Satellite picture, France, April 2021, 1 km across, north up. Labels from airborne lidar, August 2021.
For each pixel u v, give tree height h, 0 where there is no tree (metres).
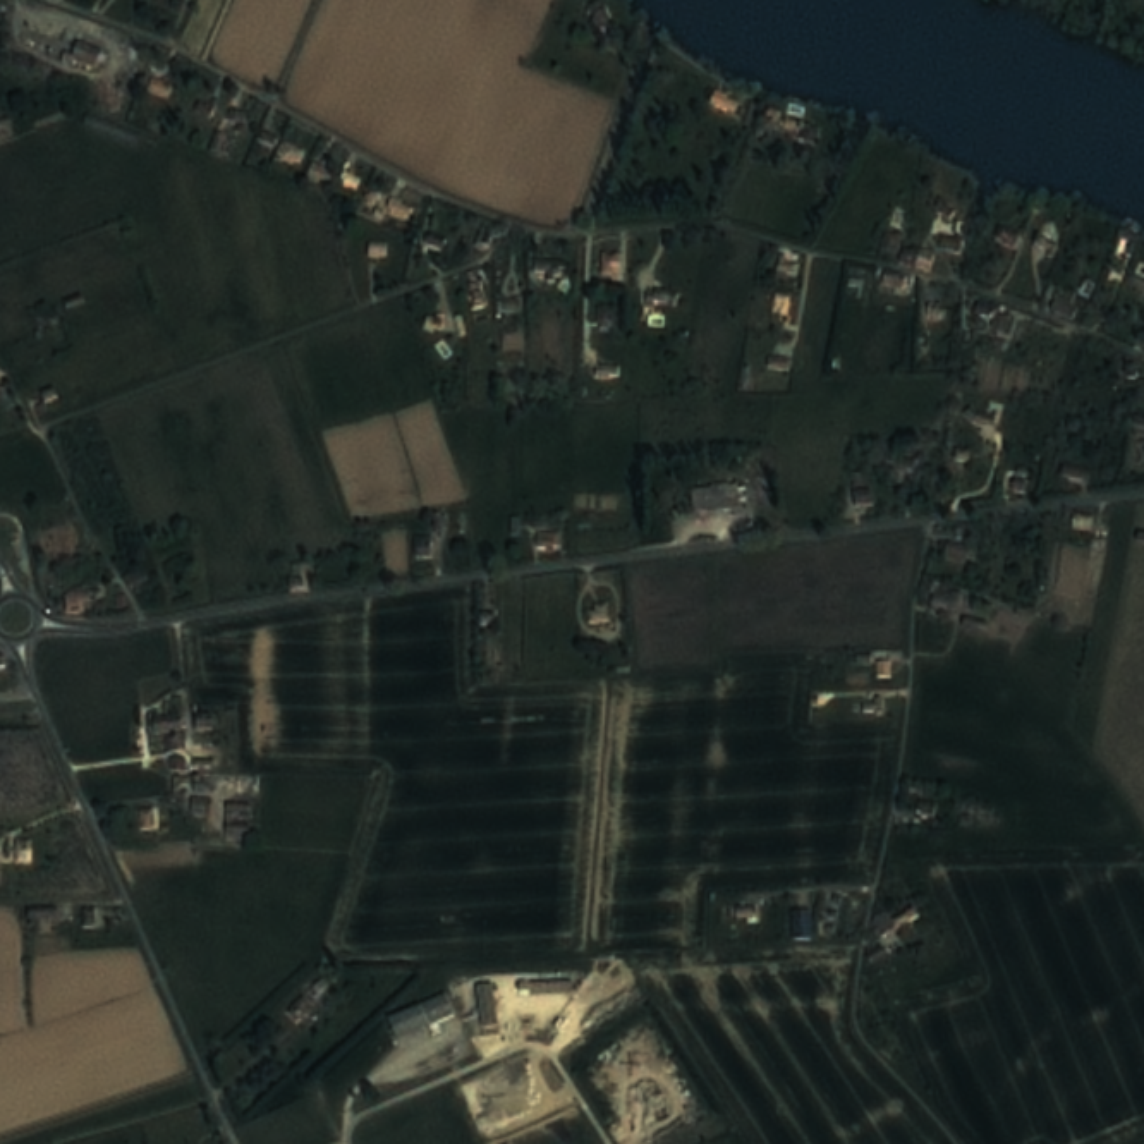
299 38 0
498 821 0
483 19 0
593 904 0
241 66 0
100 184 0
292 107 0
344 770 0
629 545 0
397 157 0
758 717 0
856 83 0
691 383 9
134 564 7
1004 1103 0
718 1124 0
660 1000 0
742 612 0
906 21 0
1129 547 0
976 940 0
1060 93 0
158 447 0
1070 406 6
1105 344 8
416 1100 0
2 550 0
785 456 0
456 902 0
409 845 0
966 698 0
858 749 0
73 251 0
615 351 0
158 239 0
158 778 0
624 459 0
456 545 9
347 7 0
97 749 0
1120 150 0
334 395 0
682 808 0
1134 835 0
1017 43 0
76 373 0
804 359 0
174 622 0
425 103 0
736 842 0
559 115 0
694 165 0
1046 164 0
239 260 0
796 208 0
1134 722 0
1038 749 0
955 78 0
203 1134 0
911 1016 0
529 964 0
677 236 9
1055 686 0
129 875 0
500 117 0
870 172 0
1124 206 0
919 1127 0
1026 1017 0
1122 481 7
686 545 0
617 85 0
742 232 0
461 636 0
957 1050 0
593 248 0
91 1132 0
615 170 14
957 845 0
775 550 24
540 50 0
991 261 12
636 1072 0
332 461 0
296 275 0
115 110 0
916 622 0
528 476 0
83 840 13
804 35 0
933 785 9
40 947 0
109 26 0
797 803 0
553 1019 0
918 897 10
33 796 16
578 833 0
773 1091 0
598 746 0
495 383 12
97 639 0
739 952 0
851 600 0
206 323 0
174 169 0
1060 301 0
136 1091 0
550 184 0
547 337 0
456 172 0
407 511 0
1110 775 0
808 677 0
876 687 0
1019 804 0
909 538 0
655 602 0
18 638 0
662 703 0
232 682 0
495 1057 0
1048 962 0
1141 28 21
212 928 0
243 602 0
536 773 0
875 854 0
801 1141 0
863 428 0
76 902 0
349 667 0
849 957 0
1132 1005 0
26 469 0
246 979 0
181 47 0
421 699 0
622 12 0
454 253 13
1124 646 0
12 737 16
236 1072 0
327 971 6
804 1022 0
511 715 0
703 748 0
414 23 0
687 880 0
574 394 6
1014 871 0
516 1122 0
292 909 0
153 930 0
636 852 0
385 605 0
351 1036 7
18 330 0
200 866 0
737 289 0
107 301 0
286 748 0
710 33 0
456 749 0
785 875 0
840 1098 0
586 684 0
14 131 0
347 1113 0
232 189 0
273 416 0
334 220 7
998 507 0
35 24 0
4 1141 0
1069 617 11
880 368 5
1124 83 0
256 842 13
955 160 0
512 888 0
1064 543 0
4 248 0
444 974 0
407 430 0
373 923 0
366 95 0
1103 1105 0
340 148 12
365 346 0
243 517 0
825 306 0
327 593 0
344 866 0
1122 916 0
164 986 0
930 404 0
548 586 0
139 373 0
